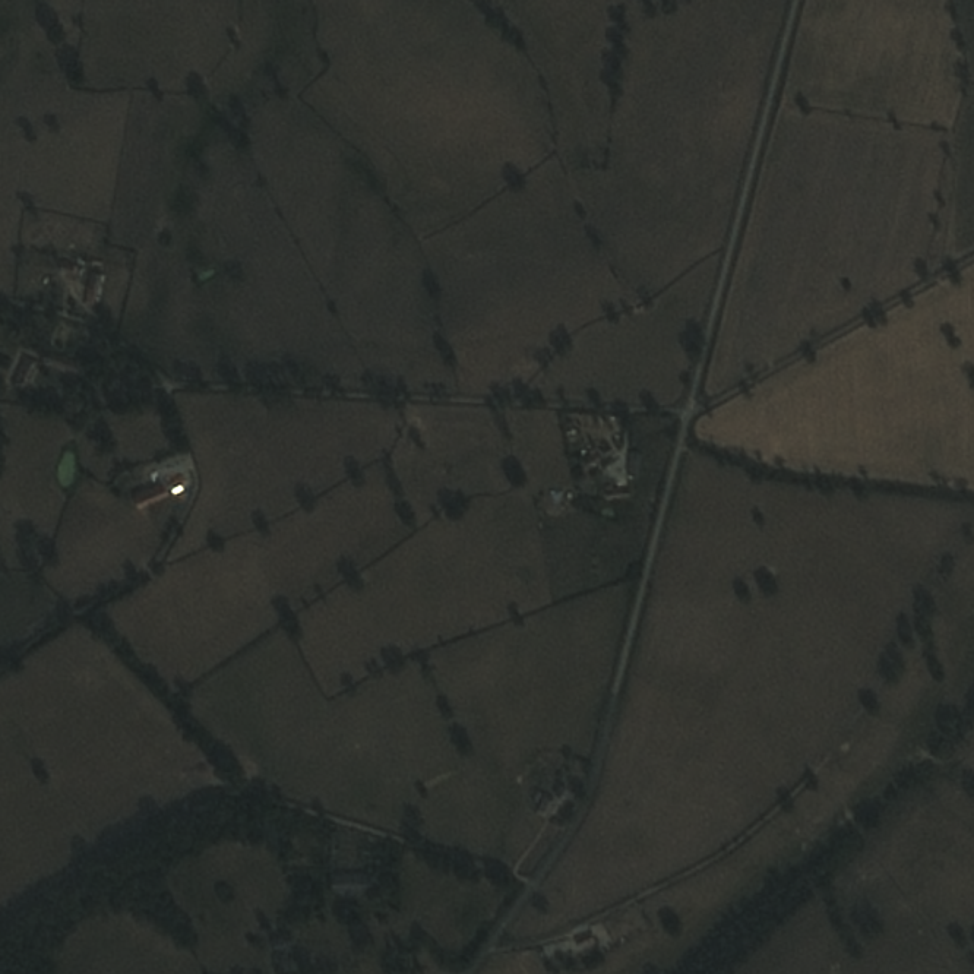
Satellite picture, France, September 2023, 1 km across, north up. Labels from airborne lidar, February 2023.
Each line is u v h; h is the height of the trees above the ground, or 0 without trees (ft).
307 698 0
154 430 0
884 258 0
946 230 0
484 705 0
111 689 0
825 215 0
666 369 0
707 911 0
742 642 0
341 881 0
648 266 0
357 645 0
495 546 0
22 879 0
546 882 0
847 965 0
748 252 0
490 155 0
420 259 0
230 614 0
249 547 0
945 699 0
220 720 0
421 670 61
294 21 0
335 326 0
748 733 0
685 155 0
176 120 0
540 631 0
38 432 0
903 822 0
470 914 0
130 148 0
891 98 0
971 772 0
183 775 0
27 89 0
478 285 0
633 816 0
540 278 0
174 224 0
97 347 57
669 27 0
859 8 0
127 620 0
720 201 0
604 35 0
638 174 0
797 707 0
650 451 0
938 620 0
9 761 0
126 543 0
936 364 0
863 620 0
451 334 0
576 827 0
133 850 85
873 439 0
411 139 0
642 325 0
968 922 0
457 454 0
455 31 0
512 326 0
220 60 0
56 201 0
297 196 0
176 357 0
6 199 0
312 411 0
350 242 0
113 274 0
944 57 0
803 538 0
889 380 0
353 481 47
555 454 0
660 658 0
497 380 0
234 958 0
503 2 0
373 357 0
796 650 0
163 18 0
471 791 0
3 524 0
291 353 0
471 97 0
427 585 0
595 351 0
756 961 0
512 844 0
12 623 0
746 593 47
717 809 0
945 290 0
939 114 0
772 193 0
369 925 0
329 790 0
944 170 0
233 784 60
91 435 27
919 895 0
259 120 0
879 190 0
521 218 0
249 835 62
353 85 0
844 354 0
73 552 0
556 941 0
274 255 0
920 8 0
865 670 0
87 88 0
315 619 0
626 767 0
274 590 0
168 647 0
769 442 0
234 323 0
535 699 0
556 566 0
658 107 0
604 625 0
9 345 0
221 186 0
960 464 0
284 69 0
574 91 0
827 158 0
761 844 0
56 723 0
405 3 0
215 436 0
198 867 0
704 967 35
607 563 0
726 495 0
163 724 0
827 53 0
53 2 0
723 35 0
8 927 55
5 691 0
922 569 0
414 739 0
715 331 0
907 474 0
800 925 0
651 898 0
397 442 0
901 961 0
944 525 0
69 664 0
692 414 0
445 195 0
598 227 0
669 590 0
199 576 0
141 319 0
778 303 0
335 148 0
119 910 44
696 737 0
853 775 0
